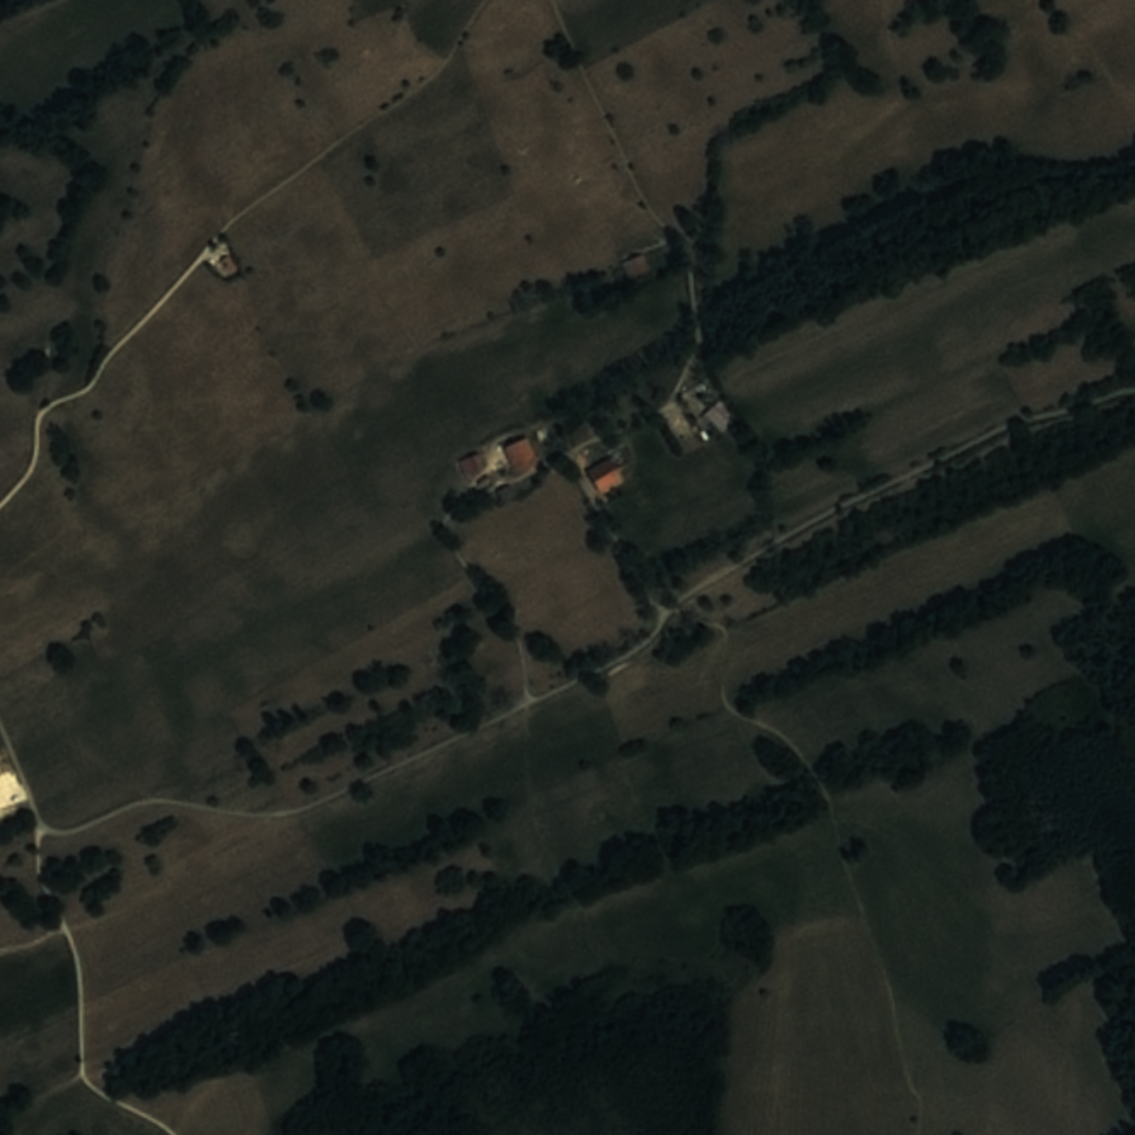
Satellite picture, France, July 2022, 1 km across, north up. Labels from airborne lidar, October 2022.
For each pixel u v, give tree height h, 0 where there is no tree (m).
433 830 13
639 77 0
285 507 0
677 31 0
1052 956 0
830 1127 0
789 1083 0
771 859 0
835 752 16
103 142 0
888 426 0
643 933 0
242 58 0
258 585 0
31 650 0
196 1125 0
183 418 0
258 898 0
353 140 0
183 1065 15
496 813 22
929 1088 0
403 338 0
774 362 0
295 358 0
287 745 0
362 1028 0
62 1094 0
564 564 0
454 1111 13
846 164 0
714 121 0
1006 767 18
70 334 15
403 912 0
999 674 0
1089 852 18
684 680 0
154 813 0
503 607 14
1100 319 7
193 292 0
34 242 0
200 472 0
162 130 0
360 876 16
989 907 0
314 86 0
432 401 0
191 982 0
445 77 0
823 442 23
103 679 0
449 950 21
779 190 0
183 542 0
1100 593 19
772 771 17
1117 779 18
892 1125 0
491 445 0
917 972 0
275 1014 9
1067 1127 0
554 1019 25
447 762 0
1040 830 18
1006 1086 0
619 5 0
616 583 0
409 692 0
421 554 0
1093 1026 0
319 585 0
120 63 15
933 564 0
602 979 9
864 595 0
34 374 13
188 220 0
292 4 0
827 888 0
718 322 21
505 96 0
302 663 0
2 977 0
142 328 0
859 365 0
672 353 26
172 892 0
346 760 0
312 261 0
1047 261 0
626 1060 13
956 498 15
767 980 0
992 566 0
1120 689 14
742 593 0
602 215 0
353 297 0
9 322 0
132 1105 0
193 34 14
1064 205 21
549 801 0
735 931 11
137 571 0
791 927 0
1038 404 0
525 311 16
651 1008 11
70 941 0
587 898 23
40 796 0
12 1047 0
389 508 0
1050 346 18
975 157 24
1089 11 0
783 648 0
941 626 21
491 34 0
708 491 0
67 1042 0
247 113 0
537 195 0
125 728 0
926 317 0
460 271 0
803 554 9
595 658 16
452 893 7
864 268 22
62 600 0
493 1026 0
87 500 0
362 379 0
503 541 0
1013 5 0
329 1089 19
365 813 0
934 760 17
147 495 0
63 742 0
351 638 0
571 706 0
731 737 0
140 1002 0
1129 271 12
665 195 0
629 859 22
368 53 0
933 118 0
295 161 0
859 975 0
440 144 0
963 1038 29
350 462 0
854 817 0
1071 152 0
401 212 0
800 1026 0
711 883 0
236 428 0
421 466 0
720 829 25
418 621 0
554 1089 10
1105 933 0
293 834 0
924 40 0
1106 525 0
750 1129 0
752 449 24
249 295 0
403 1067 11
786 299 23
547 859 0
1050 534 0
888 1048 0
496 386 0
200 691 0
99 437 0
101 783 0
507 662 0
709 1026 13
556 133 0
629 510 0
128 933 0
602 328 0
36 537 0
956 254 14
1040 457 19
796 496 0
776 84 0
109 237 0
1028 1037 0
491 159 0
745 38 0
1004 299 0
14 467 0
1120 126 0
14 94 0
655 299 0
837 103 0
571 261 0
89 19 0
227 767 0
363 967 24
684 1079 7
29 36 0
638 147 0
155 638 0
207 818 0
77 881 12
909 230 23
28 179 0
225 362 0
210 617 0
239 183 0
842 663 16
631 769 0
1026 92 0
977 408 0
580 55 10
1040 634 0
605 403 22
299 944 0
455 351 0
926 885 0
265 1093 0
